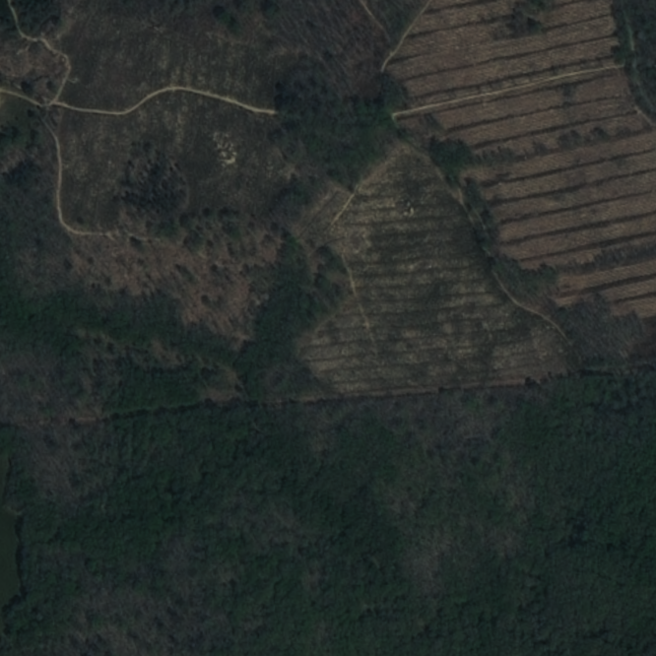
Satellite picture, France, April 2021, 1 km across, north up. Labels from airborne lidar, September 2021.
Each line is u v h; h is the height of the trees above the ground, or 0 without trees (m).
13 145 17
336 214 0
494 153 0
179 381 21
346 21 16
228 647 21
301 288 19
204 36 0
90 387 20
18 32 15
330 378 0
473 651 27
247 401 15
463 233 0
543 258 0
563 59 0
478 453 19
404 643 24
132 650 20
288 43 16
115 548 27
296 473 27
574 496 26
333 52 17
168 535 25
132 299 18
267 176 0
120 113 0
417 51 0
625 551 25
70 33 0
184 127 0
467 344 0
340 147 18
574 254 0
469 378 0
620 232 0
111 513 28
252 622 22
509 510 23
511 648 27
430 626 20
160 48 0
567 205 0
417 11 18
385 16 26
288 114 24
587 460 21
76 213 0
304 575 28
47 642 15
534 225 0
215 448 28
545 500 29
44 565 21
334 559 21
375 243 0
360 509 19
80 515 21
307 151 19
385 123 22
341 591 25
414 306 0
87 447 18
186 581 22
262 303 24
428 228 0
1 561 0
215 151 0
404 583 28
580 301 0
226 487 27
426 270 0
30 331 23
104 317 19
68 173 0
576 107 0
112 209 0
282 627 26
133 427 15
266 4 11
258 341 24
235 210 0
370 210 0
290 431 17
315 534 34
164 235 22
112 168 0
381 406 13
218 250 21
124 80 0
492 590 29
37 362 17
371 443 21
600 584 27
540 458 26
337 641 23
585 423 24
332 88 15
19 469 19
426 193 0
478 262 0
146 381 27
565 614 22
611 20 0
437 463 23
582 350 18
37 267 19
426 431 21
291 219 17
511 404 11
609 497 23
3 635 0
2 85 17
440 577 20
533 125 0
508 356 0
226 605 21
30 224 17
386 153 19
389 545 25
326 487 28
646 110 19
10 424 14
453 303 0
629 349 18
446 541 22
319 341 0
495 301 0
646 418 27
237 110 0
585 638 19
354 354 0
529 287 20
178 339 19
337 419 23
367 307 0
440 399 9
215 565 24
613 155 0
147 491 32
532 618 19
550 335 0
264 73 0
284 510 32
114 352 19
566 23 0
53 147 11
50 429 16
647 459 22
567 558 29
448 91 0
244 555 31
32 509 20
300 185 19
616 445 25
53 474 25
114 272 20
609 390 23
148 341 22
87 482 18
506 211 0
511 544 26
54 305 25
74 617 26
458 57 0
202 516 27
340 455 23
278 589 23
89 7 0
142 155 13
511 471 19
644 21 17
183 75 0
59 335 26
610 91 0
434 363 0
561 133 0
